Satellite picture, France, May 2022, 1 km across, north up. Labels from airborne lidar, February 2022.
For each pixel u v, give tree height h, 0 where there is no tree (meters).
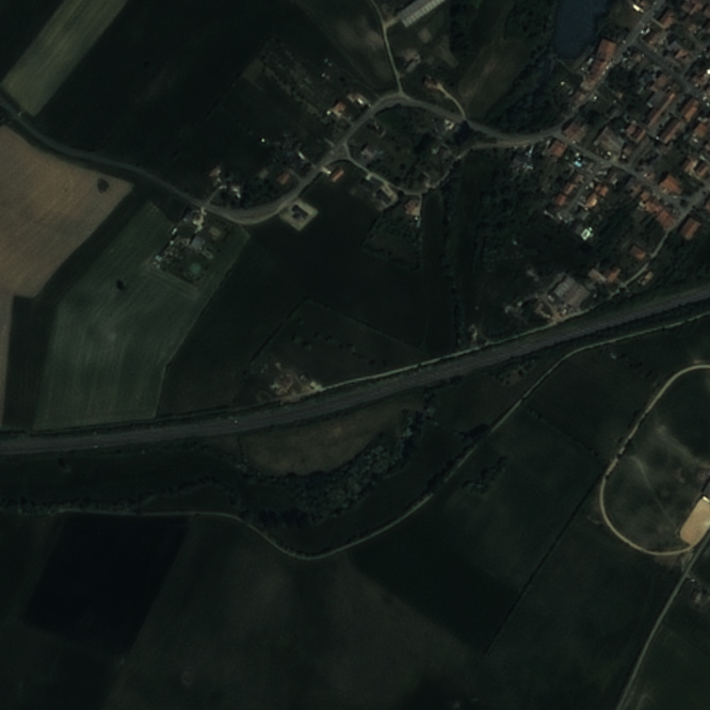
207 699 0
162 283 0
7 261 0
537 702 0
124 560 0
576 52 0
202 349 0
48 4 0
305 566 0
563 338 0
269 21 0
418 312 0
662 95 0
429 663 0
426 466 0
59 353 0
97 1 0
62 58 0
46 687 0
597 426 0
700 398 0
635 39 0
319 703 0
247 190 7
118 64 0
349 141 0
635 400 0
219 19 0
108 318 0
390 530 0
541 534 0
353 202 0
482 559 0
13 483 0
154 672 0
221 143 0
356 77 0
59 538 0
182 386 0
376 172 6
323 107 0
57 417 0
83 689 0
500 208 7
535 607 0
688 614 0
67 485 0
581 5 0
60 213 0
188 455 0
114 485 0
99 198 0
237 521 0
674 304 0
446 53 0
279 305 0
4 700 0
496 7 0
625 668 0
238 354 0
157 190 0
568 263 0
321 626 0
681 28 0
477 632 0
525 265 0
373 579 0
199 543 0
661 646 0
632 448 10
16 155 0
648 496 0
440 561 0
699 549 0
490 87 0
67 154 0
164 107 0
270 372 0
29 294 0
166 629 0
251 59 0
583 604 0
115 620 0
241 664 0
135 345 0
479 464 0
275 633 0
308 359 0
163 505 0
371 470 8
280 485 8
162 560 0
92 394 0
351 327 0
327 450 0
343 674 0
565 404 0
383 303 0
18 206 0
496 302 0
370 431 0
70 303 0
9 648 0
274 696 0
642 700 0
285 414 0
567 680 0
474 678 0
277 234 0
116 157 0
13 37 0
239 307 0
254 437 0
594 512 0
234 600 0
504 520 0
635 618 0
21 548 0
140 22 0
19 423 0
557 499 0
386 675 0
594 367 0
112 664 0
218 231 0
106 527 0
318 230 0
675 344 0
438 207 0
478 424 0
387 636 0
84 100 0
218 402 0
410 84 0
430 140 17
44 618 0
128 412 0
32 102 0
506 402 0
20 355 0
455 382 15
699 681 0
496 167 0
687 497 0
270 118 0
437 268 0
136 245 0
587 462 0
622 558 0
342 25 0
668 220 0
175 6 0
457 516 0
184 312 0
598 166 0
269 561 0
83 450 0
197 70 0
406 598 0
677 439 0
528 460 0
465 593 0
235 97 0
